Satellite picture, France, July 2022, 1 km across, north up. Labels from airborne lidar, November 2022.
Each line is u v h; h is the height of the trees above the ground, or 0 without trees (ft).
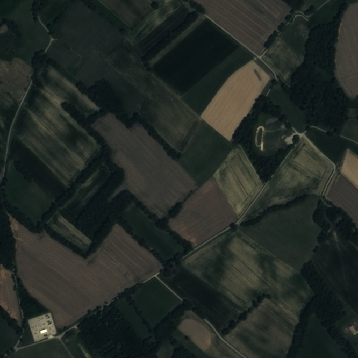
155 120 0
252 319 0
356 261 0
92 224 87
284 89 43
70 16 0
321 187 0
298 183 0
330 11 0
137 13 0
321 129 0
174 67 0
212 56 0
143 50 0
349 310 0
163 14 0
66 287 0
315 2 0
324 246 0
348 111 40
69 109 75
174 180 0
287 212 0
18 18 0
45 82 0
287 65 0
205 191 0
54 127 0
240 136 63
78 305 0
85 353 0
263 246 0
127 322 40
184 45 0
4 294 0
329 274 0
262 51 0
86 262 0
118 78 0
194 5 55
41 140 0
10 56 0
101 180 0
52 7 0
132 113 0
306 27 0
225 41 0
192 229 0
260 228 0
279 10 0
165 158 0
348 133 0
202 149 0
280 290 0
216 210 0
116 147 0
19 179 0
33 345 0
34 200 0
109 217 75
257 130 0
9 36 0
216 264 0
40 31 0
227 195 0
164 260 55
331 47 28
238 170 0
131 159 0
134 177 0
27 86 0
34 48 0
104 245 0
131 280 0
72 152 0
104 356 33
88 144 0
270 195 0
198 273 0
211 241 0
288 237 0
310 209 0
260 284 0
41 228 53
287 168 0
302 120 0
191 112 0
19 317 0
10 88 0
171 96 0
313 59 61
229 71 0
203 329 0
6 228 94
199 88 0
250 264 0
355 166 0
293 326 0
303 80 84
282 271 0
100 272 0
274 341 0
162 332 79
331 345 0
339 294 0
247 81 0
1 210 99
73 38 0
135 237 48
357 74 0
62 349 0
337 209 52
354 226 52
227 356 0
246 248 0
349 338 0
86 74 0
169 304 0
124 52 0
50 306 0
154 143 0
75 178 0
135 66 0
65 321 0
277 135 0
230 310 0
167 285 0
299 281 0
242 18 0
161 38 0
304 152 0
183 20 0
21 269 0
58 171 0
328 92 59
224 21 0
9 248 81
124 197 73
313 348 0
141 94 0
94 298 0
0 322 0
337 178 0
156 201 0
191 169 0
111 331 43
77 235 0
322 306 81
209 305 0
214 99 0
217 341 0
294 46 0
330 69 55
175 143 0
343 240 0
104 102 82
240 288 0
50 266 0
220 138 0
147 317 0
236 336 0
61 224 0
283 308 0
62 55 0
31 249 0
